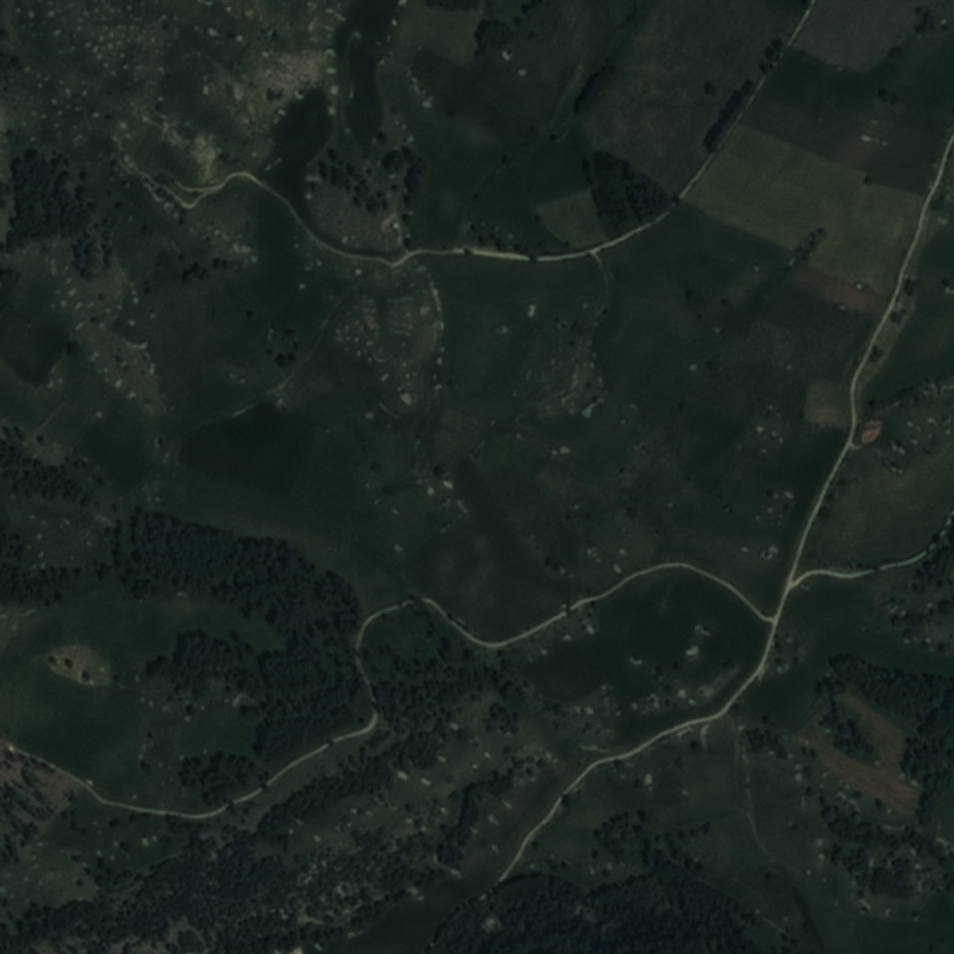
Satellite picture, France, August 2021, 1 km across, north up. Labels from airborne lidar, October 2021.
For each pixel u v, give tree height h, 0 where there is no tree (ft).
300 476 0
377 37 0
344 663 66
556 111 0
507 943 52
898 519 0
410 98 0
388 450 0
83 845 0
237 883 36
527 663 0
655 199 72
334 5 0
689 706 0
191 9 0
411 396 0
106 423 0
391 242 0
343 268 0
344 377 0
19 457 40
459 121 0
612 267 0
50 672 0
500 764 0
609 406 0
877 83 0
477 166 0
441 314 0
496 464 0
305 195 0
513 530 0
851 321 0
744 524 0
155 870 33
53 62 0
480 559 0
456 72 0
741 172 0
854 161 0
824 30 0
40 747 0
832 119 0
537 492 0
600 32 0
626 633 0
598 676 0
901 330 0
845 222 0
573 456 0
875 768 0
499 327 0
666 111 0
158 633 0
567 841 0
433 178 0
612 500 0
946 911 0
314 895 32
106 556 0
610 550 0
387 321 0
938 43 0
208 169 0
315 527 0
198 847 27
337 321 0
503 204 0
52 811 55
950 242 0
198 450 0
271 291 0
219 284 0
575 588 0
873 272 0
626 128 0
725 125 56
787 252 0
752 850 0
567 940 44
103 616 0
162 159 0
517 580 0
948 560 57
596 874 0
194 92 0
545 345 0
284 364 61
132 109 0
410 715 45
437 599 0
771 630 0
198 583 78
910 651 0
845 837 21
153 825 0
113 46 0
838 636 0
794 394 0
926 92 0
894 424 0
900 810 0
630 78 0
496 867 0
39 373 0
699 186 0
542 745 0
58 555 0
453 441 0
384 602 0
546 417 0
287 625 84
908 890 38
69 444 0
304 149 0
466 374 0
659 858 58
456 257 0
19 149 0
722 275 0
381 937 0
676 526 0
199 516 0
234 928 47
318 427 0
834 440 0
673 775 0
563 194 0
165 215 0
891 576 0
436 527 0
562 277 0
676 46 0
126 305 0
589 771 0
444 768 0
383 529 0
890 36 0
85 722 0
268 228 0
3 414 0
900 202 0
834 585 0
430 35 0
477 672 24
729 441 0
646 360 0
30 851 0
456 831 50
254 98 0
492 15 0
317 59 0
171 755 0
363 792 35
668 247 0
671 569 0
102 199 0
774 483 0
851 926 0
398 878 47
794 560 0
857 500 0
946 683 27
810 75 0
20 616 0
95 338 0
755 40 0
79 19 0
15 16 0
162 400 0
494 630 0
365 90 0
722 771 0
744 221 0
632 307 0
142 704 0
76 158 0
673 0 0
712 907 35
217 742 0
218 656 68
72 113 0
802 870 0
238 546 78
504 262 0
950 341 0
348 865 24
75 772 0
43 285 0
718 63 0
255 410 0
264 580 92
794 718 0
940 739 41
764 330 0
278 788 0
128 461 0
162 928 30
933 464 0
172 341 0
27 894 0
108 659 0
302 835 0
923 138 0
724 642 0
